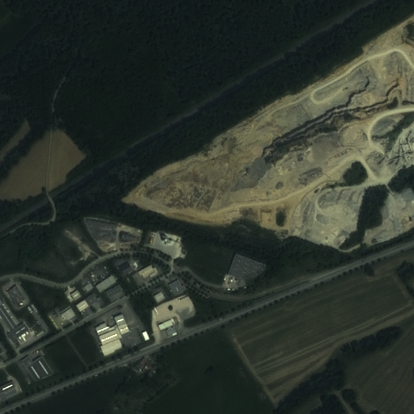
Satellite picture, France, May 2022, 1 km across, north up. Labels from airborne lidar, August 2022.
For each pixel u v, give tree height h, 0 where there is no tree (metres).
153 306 7
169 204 0
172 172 0
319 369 0
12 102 22
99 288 0
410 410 0
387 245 12
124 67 11
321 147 0
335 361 10
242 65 21
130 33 16
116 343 0
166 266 9
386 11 21
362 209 15
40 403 0
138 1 29
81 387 0
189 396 0
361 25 21
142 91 11
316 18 23
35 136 24
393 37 0
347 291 0
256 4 25
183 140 20
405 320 0
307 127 0
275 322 0
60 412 0
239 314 0
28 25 0
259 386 0
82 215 7
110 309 0
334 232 0
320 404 0
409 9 0
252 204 0
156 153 21
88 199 23
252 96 24
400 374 0
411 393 0
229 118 24
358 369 0
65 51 13
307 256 14
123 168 24
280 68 17
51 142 0
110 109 11
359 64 0
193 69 24
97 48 11
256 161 0
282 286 0
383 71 0
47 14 21
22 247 11
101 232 0
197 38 27
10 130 14
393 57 0
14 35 0
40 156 0
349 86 0
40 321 0
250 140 0
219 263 0
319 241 0
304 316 0
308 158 0
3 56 0
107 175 20
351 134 0
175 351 0
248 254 13
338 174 0
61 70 9
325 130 7
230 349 0
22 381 0
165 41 26
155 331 0
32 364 0
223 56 23
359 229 12
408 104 0
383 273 0
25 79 11
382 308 0
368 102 0
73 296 0
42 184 0
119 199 22
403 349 0
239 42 22
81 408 0
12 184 0
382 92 0
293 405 17
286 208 0
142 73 9
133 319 0
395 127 9
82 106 13
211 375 12
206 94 18
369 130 0
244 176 0
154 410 0
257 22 22
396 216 0
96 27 21
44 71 11
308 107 0
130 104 9
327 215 0
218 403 0
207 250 0
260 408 0
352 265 0
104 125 12
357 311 0
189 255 0
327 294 0
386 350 0
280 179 0
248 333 0
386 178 0
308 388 20
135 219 18
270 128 0
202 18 26
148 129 13
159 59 14
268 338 0
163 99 11
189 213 0
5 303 0
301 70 26
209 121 17
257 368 0
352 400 16
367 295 0
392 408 0
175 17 21
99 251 0
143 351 0
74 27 24
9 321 0
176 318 0
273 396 0
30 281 0
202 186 0
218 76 17
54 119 17
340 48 30
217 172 0
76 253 0
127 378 9
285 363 0
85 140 14
